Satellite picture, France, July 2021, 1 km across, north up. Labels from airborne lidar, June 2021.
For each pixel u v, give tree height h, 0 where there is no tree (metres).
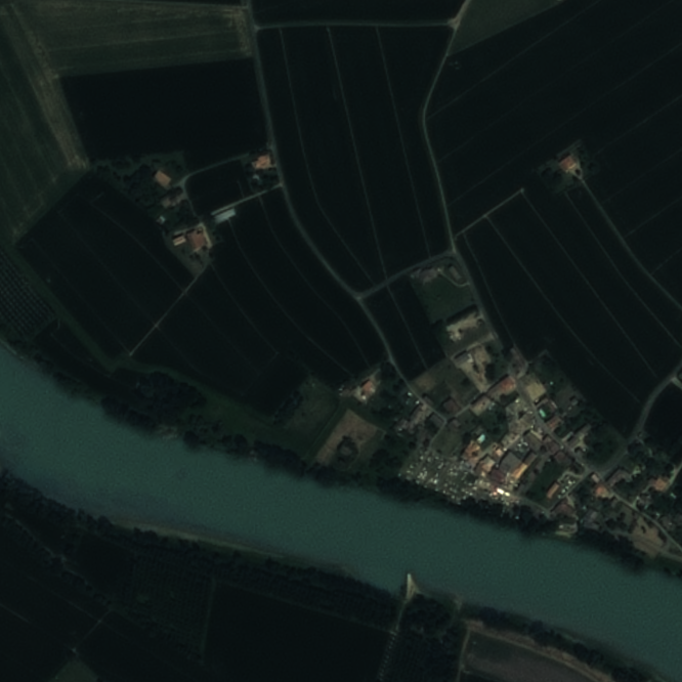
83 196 0
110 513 0
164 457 0
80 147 0
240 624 0
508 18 0
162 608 13
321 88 0
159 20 0
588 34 0
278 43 0
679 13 0
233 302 0
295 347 0
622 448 0
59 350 0
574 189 0
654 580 0
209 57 0
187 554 13
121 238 0
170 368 0
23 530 10
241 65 0
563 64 0
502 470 0
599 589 0
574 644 0
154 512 0
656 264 0
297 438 0
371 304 0
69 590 0
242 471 0
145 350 0
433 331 7
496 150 0
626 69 0
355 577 0
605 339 0
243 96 0
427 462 0
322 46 0
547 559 0
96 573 0
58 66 0
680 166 0
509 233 0
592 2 0
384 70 0
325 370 0
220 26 0
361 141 0
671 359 0
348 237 0
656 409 0
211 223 21
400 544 0
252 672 0
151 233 0
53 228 0
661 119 0
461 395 0
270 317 0
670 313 0
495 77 0
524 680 0
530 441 0
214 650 0
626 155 0
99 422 0
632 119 0
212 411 0
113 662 0
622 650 0
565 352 0
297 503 0
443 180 0
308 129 0
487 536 0
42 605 0
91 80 0
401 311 0
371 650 0
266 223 0
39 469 0
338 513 0
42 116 0
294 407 12
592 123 0
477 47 0
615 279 0
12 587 0
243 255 0
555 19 0
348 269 0
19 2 0
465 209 0
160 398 31
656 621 0
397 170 0
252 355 0
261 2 0
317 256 0
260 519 0
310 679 0
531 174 0
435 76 0
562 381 6
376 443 0
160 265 0
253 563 0
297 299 0
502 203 0
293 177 0
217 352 0
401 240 0
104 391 0
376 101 0
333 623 0
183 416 0
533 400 0
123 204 0
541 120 0
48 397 0
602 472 0
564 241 0
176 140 0
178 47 0
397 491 21
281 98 0
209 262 0
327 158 0
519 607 0
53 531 0
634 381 0
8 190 0
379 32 0
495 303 0
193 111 0
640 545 0
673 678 0
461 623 0
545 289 0
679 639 0
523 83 0
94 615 0
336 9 0
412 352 0
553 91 0
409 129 0
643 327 0
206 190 0
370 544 0
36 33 0
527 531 26
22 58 0
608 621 0
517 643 0
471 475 0
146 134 0
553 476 0
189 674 0
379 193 0
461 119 0
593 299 0
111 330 0
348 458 7
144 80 0
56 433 0
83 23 0
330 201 0
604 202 0
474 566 0
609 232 0
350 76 0
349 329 0
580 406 12
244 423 0
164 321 0
